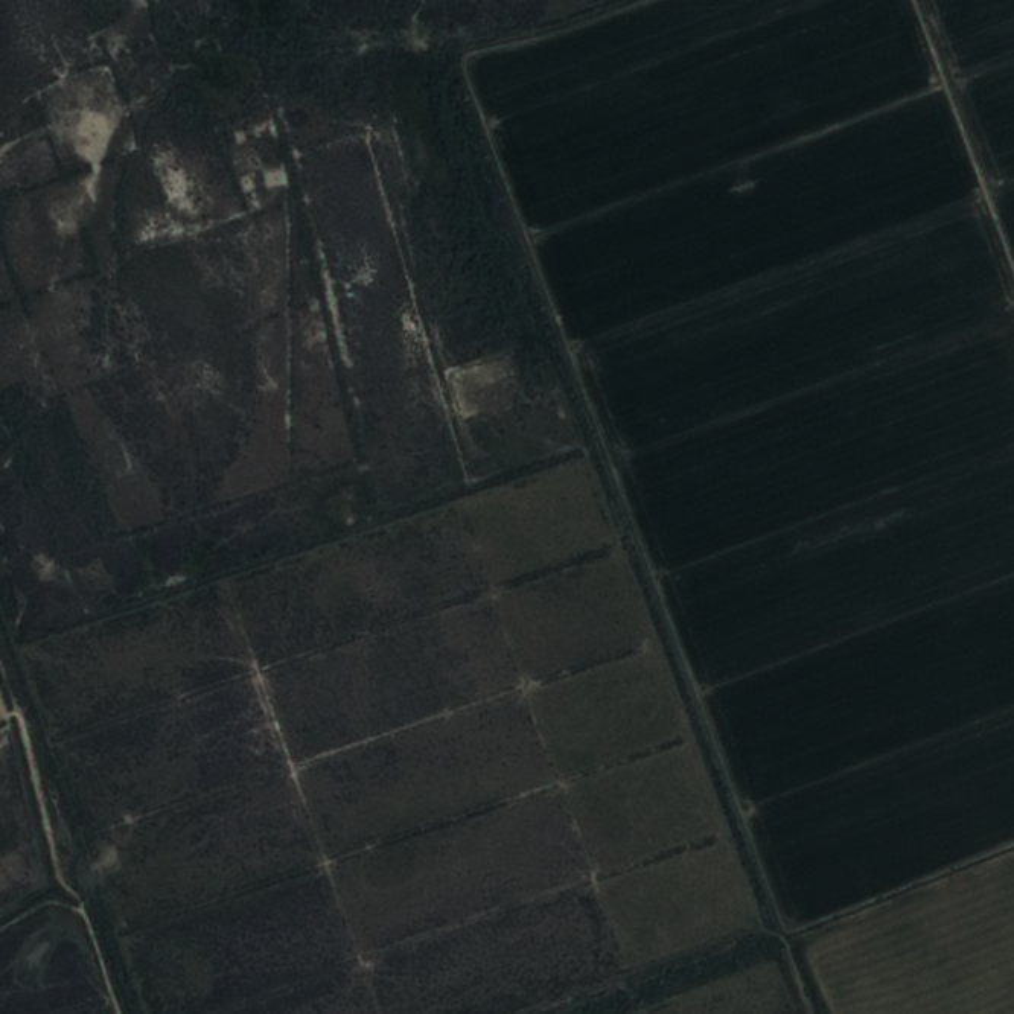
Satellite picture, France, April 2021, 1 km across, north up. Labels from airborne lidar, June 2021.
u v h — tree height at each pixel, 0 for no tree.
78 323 0
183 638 0
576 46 0
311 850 0
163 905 0
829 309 0
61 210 0
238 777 0
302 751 0
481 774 0
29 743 0
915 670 0
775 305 0
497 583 0
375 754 0
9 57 0
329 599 0
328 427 0
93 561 0
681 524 0
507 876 0
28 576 0
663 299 0
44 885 0
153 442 0
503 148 0
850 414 0
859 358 0
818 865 0
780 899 0
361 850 0
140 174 0
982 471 0
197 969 0
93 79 0
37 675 0
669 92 0
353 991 0
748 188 0
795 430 0
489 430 0
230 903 0
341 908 0
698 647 0
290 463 0
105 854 0
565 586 0
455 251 8
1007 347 0
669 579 0
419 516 0
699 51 0
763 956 6
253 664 0
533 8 0
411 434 0
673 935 0
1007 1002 0
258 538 0
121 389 0
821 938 0
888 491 0
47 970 0
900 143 0
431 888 0
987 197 0
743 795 0
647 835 0
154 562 0
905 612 0
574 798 0
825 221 0
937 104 0
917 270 0
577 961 0
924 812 0
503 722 0
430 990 0
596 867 0
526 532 0
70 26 0
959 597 0
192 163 0
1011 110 0
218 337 0
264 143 0
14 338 0
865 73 0
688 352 0
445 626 0
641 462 0
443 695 0
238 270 0
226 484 0
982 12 0
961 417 0
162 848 0
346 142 0
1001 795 0
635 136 0
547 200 0
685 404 0
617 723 0
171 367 0
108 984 0
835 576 0
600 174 0
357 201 0
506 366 0
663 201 0
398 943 0
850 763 0
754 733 0
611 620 0
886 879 0
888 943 0
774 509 0
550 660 0
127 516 0
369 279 0
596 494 0
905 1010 0
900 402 0
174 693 0
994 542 0
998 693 0
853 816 0
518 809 0
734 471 0
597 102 0
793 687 0
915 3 0
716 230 0
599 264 0
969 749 0
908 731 0
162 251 0
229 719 0
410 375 0
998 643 0
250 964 0
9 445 6
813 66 0
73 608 0
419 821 0
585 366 0
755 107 0
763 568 0
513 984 0
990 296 0
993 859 0
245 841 0
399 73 0
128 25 0
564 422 0
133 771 0
